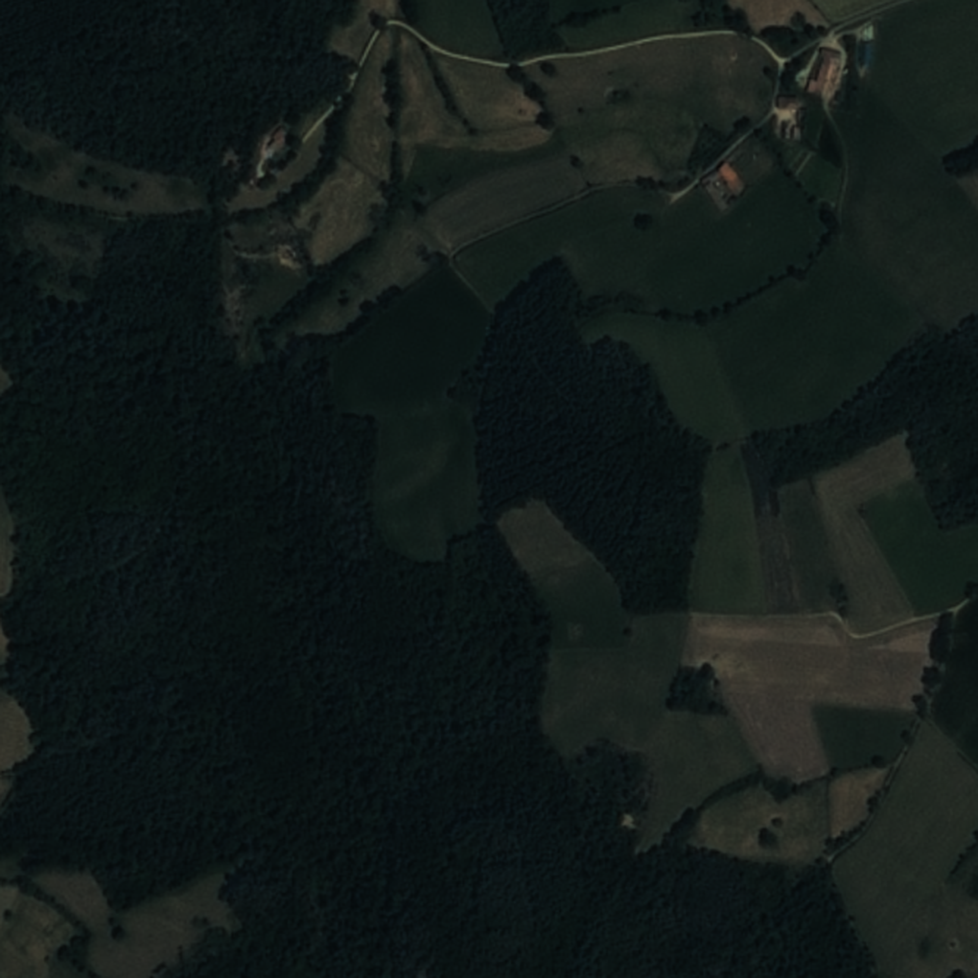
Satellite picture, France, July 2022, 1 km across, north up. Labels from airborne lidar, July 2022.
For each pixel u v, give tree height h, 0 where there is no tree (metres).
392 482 0
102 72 21
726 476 0
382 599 20
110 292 23
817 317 0
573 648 0
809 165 0
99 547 16
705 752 0
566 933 13
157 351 18
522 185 0
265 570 22
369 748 16
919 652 0
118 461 10
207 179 7
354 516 6
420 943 12
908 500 0
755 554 0
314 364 10
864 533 0
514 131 0
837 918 16
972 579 0
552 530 0
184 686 27
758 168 0
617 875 14
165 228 17
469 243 0
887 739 0
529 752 14
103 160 8
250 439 15
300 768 24
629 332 0
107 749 14
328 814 8
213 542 14
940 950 0
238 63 20
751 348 0
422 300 0
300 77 28
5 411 20
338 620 26
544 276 18
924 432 19
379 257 0
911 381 7
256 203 0
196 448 9
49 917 0
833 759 0
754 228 0
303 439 15
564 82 0
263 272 0
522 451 19
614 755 0
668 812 0
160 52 6
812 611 0
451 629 21
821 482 0
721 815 0
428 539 0
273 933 8
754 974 13
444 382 0
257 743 23
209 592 18
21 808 17
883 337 0
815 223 0
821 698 0
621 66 0
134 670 24
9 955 0
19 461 15
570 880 27
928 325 0
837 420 10
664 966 10
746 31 18
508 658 12
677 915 20
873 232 0
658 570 12
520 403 16
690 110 0
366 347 0
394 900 24
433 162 0
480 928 18
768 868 6
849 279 0
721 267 0
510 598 15
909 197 0
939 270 0
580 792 16
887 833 0
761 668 0
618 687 0
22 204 6
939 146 0
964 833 0
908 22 0
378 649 26
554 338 20
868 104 0
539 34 13
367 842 16
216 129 20
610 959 13
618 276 0
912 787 0
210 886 0
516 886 23
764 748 0
